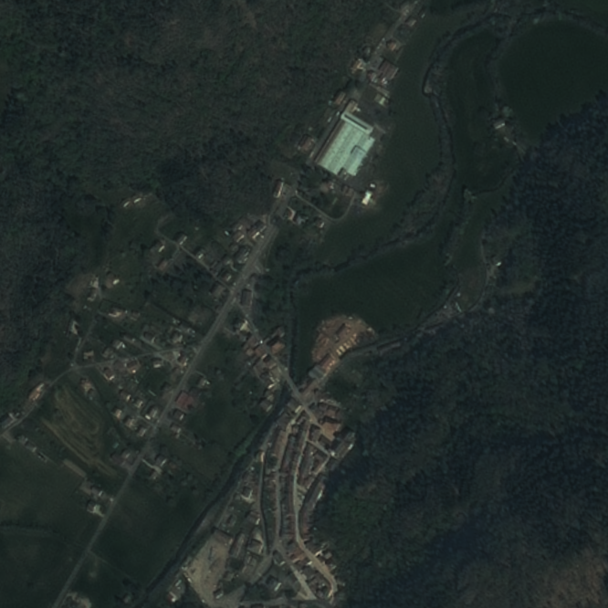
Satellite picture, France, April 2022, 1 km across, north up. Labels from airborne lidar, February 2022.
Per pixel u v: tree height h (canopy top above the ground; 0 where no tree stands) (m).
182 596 0
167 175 22
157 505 0
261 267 0
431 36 0
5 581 0
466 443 13
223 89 24
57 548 0
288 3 24
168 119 24
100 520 0
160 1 24
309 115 20
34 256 19
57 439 0
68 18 21
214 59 24
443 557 12
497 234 16
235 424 0
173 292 6
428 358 21
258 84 24
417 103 0
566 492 26
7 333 15
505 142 0
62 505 0
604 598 19
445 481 21
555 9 15
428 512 13
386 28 0
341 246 0
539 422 13
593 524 16
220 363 0
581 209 18
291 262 17
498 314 17
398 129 0
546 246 22
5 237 17
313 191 17
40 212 30
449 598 13
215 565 0
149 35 19
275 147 20
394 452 18
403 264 0
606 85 0
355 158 0
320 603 0
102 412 0
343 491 17
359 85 12
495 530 23
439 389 10
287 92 24
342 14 20
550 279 23
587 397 33
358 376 0
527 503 29
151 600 19
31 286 16
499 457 20
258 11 24
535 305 18
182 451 0
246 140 27
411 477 25
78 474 0
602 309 20
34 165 23
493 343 22
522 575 16
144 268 7
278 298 20
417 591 21
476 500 14
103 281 0
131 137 25
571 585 12
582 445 13
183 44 16
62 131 28
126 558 0
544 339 27
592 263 17
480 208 0
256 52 17
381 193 0
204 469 0
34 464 0
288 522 0
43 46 23
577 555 23
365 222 0
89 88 26
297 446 0
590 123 20
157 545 0
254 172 19
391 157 0
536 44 0
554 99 0
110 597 0
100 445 0
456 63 0
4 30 23
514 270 20
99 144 27
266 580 0
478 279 0
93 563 0
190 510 0
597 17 0
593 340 12
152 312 0
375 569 10
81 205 32
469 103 0
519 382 19
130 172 27
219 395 0
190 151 21
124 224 0
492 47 0
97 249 6
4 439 0
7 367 23
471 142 0
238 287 0
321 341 0
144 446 0
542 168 16
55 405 0
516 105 0
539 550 15
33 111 25
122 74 16
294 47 26
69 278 22
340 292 0
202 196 18
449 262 12
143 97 22
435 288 0
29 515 0
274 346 0
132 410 0
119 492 0
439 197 9
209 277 16
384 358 11
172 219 0
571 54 0
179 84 25
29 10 21
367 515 20
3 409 14
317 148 0
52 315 21
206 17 7
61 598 0
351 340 0
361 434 16
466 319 0
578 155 20
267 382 0
